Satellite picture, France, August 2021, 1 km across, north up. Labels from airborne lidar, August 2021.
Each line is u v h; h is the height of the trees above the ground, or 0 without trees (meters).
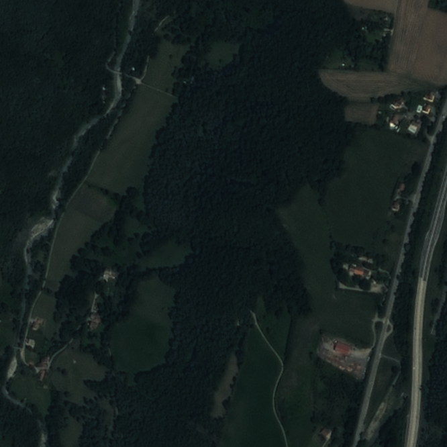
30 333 0
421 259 0
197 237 30
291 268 16
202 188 25
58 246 0
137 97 0
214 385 15
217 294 22
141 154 0
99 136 6
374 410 0
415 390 0
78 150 6
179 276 16
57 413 20
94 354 15
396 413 16
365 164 0
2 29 17
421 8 0
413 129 0
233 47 0
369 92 0
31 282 12
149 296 0
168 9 14
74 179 15
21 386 0
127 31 0
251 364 0
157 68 0
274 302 27
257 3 17
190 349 13
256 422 0
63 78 17
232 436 0
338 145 14
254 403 0
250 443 0
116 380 19
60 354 0
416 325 0
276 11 23
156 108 0
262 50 17
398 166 0
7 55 24
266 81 19
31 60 17
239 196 31
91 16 17
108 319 14
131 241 15
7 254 8
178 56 0
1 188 13
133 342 0
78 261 23
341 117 13
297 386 0
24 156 15
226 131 16
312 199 0
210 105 23
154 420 17
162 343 0
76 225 0
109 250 16
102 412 15
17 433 21
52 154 14
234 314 14
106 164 0
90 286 17
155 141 0
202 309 15
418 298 0
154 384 19
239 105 31
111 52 17
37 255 13
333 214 0
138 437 10
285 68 20
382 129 7
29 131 13
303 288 16
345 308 0
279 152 22
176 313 13
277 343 0
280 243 7
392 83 0
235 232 16
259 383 0
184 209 14
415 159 0
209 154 18
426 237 0
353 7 0
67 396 12
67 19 17
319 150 27
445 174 0
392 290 0
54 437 24
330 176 22
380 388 0
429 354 0
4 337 0
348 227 0
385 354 0
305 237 0
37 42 13
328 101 20
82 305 13
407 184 7
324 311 0
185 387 19
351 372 0
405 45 0
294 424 0
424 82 0
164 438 15
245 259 22
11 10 15
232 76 23
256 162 31
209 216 24
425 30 0
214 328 16
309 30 19
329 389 8
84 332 8
